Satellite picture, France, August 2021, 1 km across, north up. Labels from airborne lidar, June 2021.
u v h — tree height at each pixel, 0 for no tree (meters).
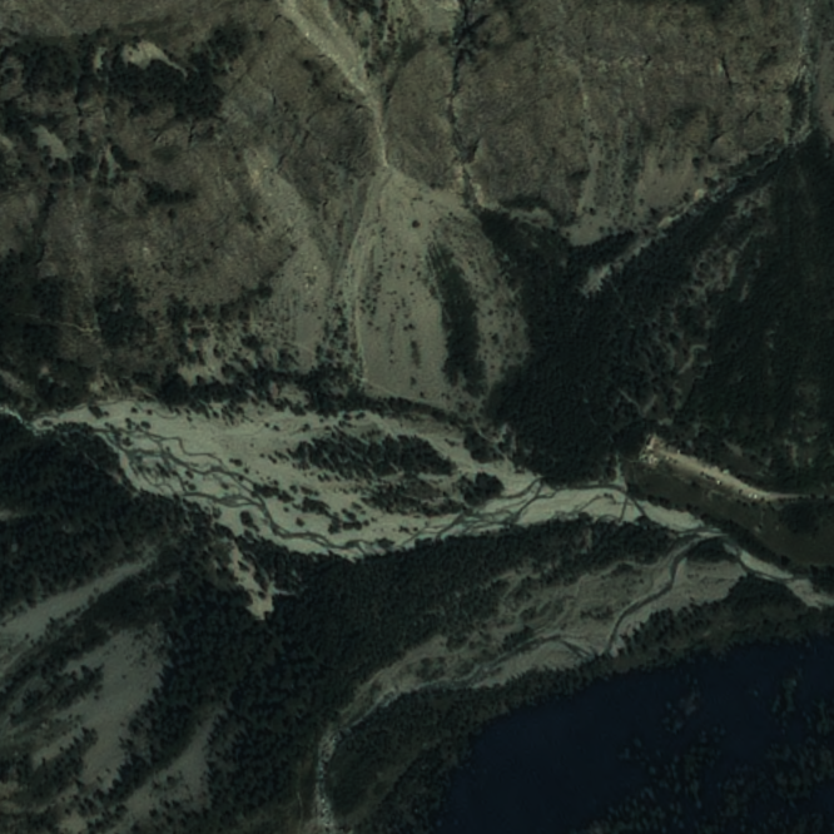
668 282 12
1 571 9
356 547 0
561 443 11
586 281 7
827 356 6
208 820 9
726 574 0
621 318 12
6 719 0
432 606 8
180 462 0
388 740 7
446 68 0
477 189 0
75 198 0
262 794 17
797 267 7
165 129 0
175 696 25
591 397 9
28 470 7
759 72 6
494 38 0
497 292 0
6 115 11
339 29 0
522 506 0
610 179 0
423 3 0
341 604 15
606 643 0
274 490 7
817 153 8
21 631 0
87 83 15
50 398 12
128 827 0
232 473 0
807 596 0
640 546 8
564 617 0
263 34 9
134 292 12
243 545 9
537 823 14
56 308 11
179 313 9
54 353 9
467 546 12
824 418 6
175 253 0
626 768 12
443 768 6
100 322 14
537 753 7
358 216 0
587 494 0
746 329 8
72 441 10
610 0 0
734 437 6
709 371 9
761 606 9
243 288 9
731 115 0
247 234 0
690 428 7
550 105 0
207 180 0
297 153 0
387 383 0
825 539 0
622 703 13
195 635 25
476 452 9
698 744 24
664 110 0
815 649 6
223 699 9
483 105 0
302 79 0
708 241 6
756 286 7
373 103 0
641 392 23
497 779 7
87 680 8
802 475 7
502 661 0
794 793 11
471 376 11
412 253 0
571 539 8
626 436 12
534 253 8
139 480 0
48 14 0
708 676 10
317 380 8
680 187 0
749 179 7
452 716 10
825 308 6
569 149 0
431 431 0
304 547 0
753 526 0
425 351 0
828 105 0
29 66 15
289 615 24
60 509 21
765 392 8
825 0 0
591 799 13
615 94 0
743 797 6
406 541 0
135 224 0
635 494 14
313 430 0
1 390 15
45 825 12
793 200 6
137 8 0
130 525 10
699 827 20
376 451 10
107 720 0
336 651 9
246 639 20
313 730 14
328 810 0
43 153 8
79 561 12
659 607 0
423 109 0
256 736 19
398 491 9
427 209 0
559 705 17
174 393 23
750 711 7
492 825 23
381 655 9
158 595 9
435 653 0
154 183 6
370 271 0
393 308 0
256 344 17
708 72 0
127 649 0
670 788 10
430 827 8
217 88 12
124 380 7
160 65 12
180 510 9
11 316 9
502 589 11
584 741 13
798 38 0
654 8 0
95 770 0
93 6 0
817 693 28
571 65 0
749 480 11
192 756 0
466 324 7
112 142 11
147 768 18
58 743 0
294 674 14
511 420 8
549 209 6
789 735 9
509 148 0
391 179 0
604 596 0
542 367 12
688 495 0
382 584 6
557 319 9
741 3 0
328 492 0
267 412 0
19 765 9
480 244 0
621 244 12
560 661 0
